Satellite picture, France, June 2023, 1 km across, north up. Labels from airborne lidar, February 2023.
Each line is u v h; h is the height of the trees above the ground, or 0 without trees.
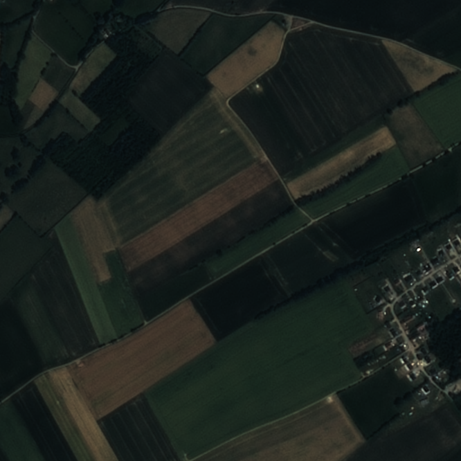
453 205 0
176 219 0
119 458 0
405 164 0
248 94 0
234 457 0
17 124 14
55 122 0
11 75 24
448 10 0
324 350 0
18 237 0
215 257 0
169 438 0
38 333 0
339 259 0
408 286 0
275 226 0
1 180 0
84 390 0
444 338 11
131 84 10
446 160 0
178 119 0
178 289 0
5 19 0
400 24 0
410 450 0
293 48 0
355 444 0
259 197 0
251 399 0
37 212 0
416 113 0
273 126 0
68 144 10
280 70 0
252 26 0
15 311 0
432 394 0
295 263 0
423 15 0
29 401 0
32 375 0
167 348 0
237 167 0
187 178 0
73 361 0
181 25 0
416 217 0
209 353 0
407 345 0
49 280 0
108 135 0
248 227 0
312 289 15
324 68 0
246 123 0
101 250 0
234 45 0
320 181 0
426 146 0
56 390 0
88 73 0
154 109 0
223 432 0
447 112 0
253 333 0
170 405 0
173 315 0
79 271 0
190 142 0
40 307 0
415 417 0
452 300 0
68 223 0
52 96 0
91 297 0
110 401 0
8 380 0
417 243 0
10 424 0
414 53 0
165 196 0
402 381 0
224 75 0
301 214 0
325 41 0
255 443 0
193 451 0
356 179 0
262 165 0
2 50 7
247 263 0
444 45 0
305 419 0
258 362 0
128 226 0
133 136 17
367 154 0
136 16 0
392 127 0
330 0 0
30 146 7
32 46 0
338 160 0
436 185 0
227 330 0
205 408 0
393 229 0
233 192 0
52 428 0
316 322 0
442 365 12
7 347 0
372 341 0
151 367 0
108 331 0
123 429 0
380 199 0
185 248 0
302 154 0
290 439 0
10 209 0
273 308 6
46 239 0
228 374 0
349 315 0
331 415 0
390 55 0
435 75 0
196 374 0
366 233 0
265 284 0
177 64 0
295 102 0
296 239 0
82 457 0
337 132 0
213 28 0
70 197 0
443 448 0
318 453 0
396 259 0
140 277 0
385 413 0
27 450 0
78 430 0
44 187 0
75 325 0
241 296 0
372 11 0
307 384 0
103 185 7
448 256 0
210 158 0
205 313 0
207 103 0
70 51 0
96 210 0
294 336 0
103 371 0
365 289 0
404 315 0
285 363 0
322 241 0
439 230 0
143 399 0
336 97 0
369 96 0
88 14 6
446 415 0
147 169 0
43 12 0
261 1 0
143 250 0
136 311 0
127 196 0
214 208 0
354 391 0
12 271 0
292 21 0
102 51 0
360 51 0
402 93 0
